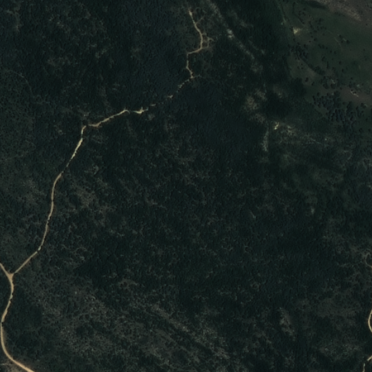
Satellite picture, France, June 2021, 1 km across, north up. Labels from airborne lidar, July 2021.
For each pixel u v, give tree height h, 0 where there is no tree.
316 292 7
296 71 0
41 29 7
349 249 6
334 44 0
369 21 0
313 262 13
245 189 7
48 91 7
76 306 10
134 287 7
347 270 6
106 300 7
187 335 8
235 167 7
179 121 7
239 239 10
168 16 9
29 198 0
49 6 9
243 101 6
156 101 6
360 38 0
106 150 8
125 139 8
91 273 11
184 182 8
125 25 8
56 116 7
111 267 10
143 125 6
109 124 8
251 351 8
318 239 13
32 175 6
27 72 7
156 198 9
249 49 8
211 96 10
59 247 9
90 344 7
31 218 7
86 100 8
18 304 6
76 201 10
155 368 6
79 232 8
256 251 11
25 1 7
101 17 10
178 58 7
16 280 7
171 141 6
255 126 6
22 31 8
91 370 7
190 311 6
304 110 6
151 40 10
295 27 0
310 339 7
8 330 7
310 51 0
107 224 7
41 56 9
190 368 7
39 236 8
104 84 11
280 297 8
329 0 0
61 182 6
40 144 10
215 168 8
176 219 11
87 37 8
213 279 9
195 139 7
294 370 7
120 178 9
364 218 7
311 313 7
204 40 0
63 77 7
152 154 6
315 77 0
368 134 0
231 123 9
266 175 9
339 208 9
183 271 6
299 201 9
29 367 0
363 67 0
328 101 15
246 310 7
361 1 0
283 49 8
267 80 8
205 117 8
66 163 11
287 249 11
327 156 7
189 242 6
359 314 6
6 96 6
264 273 10
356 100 0
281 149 8
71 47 6
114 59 8
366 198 10
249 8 9
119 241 9
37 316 7
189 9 0
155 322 9
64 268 8
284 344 9
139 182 9
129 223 10
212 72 8
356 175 5
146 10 6
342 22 0
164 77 14
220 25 8
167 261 8
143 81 12
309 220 7
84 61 8
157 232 8
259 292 8
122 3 8
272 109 9
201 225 8
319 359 7
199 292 7
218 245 8
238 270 8
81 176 7
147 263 7
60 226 10
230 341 7
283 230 11
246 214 10
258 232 8
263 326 8
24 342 8
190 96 9
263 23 11
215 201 9
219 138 9
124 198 7
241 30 9
